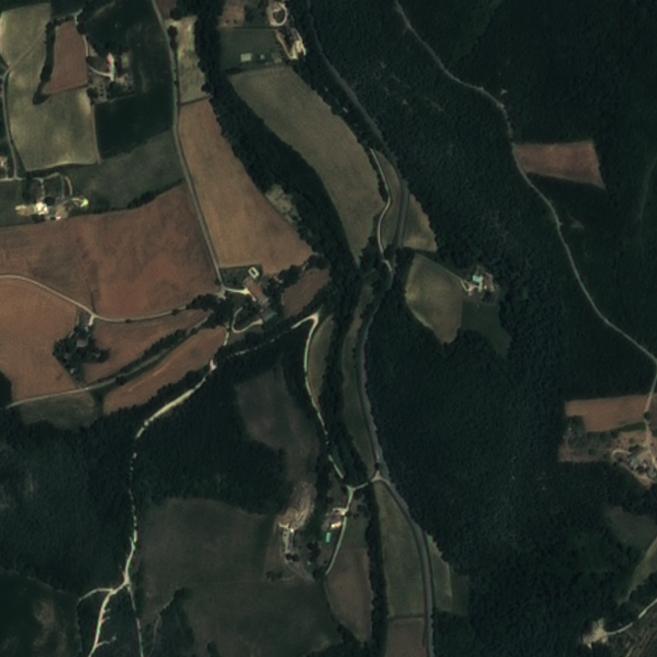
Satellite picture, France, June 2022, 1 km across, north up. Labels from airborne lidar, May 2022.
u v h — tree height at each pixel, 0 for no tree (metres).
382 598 15
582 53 14
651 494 14
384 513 0
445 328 0
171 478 11
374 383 7
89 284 0
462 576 8
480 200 7
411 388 11
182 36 0
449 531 8
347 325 13
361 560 0
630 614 6
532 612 15
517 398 8
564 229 9
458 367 12
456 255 17
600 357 9
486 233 12
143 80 0
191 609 0
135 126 0
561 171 0
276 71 0
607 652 8
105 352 11
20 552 9
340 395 16
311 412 10
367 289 0
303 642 0
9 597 0
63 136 0
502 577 21
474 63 14
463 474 8
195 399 7
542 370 9
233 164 0
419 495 10
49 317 0
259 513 7
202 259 0
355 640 16
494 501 10
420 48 9
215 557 0
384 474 0
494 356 19
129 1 0
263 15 8
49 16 0
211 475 9
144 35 0
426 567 0
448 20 12
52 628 0
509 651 10
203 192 0
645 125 5
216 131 0
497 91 9
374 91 8
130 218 0
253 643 0
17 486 7
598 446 7
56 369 0
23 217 0
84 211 0
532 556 17
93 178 0
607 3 13
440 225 16
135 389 0
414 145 9
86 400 0
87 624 10
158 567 0
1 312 0
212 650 9
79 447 11
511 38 7
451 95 8
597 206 6
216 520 0
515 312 24
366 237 0
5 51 0
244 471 8
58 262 0
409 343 13
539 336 10
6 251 0
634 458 0
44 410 0
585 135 9
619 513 0
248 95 0
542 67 9
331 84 11
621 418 0
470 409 12
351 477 20
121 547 6
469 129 13
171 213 0
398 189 0
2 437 10
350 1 8
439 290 0
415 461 8
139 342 0
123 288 0
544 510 13
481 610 15
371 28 10
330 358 11
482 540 6
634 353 7
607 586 16
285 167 10
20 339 0
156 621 0
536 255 9
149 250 0
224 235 0
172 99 0
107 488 21
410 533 0
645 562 0
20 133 0
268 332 8
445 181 9
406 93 9
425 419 8
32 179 9
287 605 0
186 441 6
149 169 0
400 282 13
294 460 0
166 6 0
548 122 9
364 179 0
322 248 15
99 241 0
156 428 8
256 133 9
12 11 0
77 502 6
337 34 11
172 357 0
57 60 0
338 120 0
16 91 0
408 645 0
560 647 10
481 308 0
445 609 0
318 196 9
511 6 10
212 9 16
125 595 6
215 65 19
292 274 14
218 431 8
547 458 9
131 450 16
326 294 10
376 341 12
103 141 0
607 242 8
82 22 9
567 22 15
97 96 11
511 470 10
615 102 14
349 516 8
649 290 7
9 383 10
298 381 11
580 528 17
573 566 17
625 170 6
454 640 6
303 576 0
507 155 7
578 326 6
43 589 0
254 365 12
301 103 0
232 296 6
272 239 0
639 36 6
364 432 0
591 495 14
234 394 7
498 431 10
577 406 0
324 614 0
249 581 0
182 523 0
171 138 0
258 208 0
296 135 0
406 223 0
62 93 0
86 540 7
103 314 0
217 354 11
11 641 0
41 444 14
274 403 0
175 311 11
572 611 18
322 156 0
